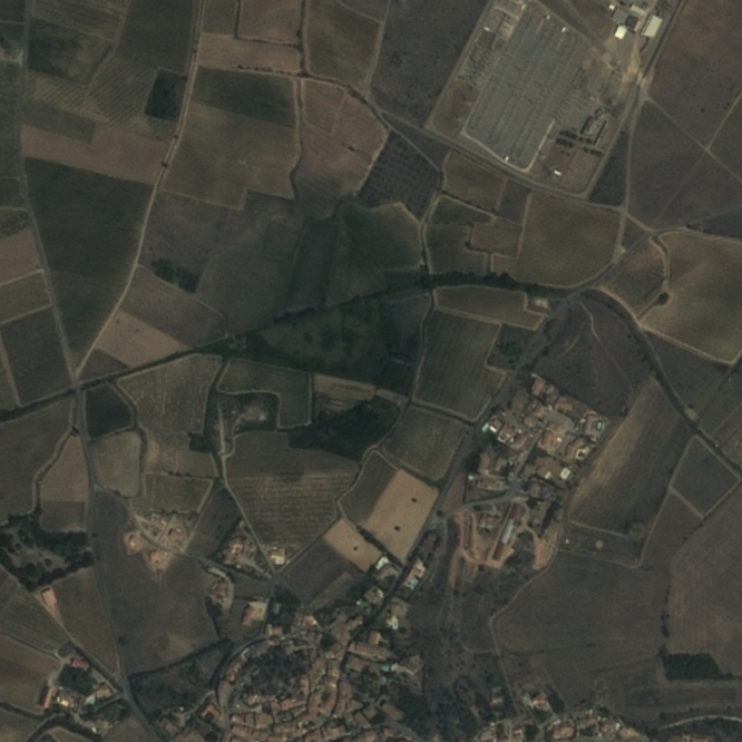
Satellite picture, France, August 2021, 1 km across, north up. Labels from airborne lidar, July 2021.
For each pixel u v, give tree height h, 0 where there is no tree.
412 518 0
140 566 0
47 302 0
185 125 0
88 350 0
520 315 0
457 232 0
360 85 0
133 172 0
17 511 0
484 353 0
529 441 0
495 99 0
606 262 0
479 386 0
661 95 0
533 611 0
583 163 0
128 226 0
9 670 0
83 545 8
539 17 0
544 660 0
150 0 0
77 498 0
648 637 0
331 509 0
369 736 0
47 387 0
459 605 0
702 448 0
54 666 0
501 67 0
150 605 0
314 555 0
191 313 0
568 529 0
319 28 0
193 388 0
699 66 0
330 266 0
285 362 5
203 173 0
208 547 0
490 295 0
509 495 0
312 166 0
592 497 0
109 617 0
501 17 0
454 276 8
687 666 9
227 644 8
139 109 0
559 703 8
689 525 0
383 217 0
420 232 0
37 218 0
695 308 0
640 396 0
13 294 0
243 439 0
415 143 0
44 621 0
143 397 0
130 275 0
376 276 0
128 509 0
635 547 0
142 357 0
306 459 0
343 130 0
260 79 0
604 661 0
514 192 0
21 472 0
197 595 0
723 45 0
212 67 0
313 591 0
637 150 0
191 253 0
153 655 0
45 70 0
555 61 0
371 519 0
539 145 0
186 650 0
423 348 0
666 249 0
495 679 11
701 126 0
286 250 0
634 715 0
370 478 0
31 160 0
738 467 0
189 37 0
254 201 0
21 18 0
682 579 0
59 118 0
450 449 0
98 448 0
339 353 0
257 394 0
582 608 0
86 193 0
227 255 0
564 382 0
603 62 0
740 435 0
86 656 9
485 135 0
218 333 0
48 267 0
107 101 0
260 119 0
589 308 0
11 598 0
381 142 0
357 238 0
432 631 0
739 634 0
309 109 0
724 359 0
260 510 0
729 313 0
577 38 0
